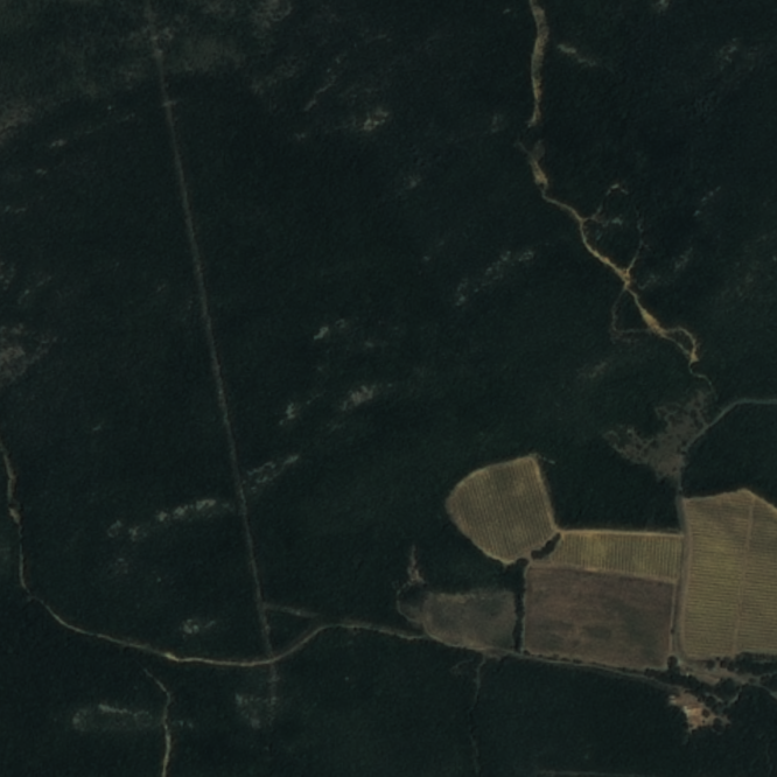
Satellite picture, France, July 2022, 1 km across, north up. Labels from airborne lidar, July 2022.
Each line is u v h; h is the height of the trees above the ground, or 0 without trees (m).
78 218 7
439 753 9
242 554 9
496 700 7
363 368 8
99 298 7
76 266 6
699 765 7
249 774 9
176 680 13
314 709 7
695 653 0
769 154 6
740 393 6
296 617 9
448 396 8
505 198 6
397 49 6
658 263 14
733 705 7
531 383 6
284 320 7
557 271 8
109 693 10
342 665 7
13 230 6
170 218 7
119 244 8
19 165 6
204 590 8
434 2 8
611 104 11
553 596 0
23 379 6
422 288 10
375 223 13
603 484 9
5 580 7
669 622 0
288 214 7
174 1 5
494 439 6
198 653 7
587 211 8
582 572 0
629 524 12
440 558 7
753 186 6
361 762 8
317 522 6
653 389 7
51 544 6
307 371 7
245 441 9
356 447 8
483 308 7
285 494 8
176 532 7
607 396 8
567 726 6
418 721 6
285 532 10
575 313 6
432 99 6
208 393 6
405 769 7
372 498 5
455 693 6
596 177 12
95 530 6
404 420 8
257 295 7
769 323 7
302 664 6
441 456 7
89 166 6
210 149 7
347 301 7
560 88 9
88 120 6
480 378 10
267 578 8
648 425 8
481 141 8
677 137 7
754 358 6
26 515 11
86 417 6
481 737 9
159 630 9
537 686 6
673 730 7
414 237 6
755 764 6
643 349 6
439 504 7
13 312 6
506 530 0
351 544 9
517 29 8
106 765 9
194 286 6
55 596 6
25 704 8
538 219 7
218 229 6
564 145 11
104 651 11
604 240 8
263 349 7
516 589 7
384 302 9
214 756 11
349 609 9
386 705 6
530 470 0
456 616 0
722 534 0
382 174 7
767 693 11
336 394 6
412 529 6
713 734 8
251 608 7
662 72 8
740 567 0
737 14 6
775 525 0
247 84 6
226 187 6
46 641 11
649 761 6
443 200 8
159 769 7
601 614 0
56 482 7
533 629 0
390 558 10
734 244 8
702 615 0
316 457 7
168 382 8
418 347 8
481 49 8
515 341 6
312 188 8
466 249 8
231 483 8
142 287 9
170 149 6
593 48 6
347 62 7
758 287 5
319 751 8
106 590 6
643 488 12
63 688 9
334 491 9
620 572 0
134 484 7
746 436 6
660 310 9
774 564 0
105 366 5
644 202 14
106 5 6
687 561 0
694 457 6
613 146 6
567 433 7
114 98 5
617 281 8
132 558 6
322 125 6
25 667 12
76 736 6
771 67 7
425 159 13
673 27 7
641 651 0
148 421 7
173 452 8
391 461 9
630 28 8
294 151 7
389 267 8
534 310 7
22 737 7
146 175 6
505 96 8
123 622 7
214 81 6
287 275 6
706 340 8
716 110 8
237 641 6
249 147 8
